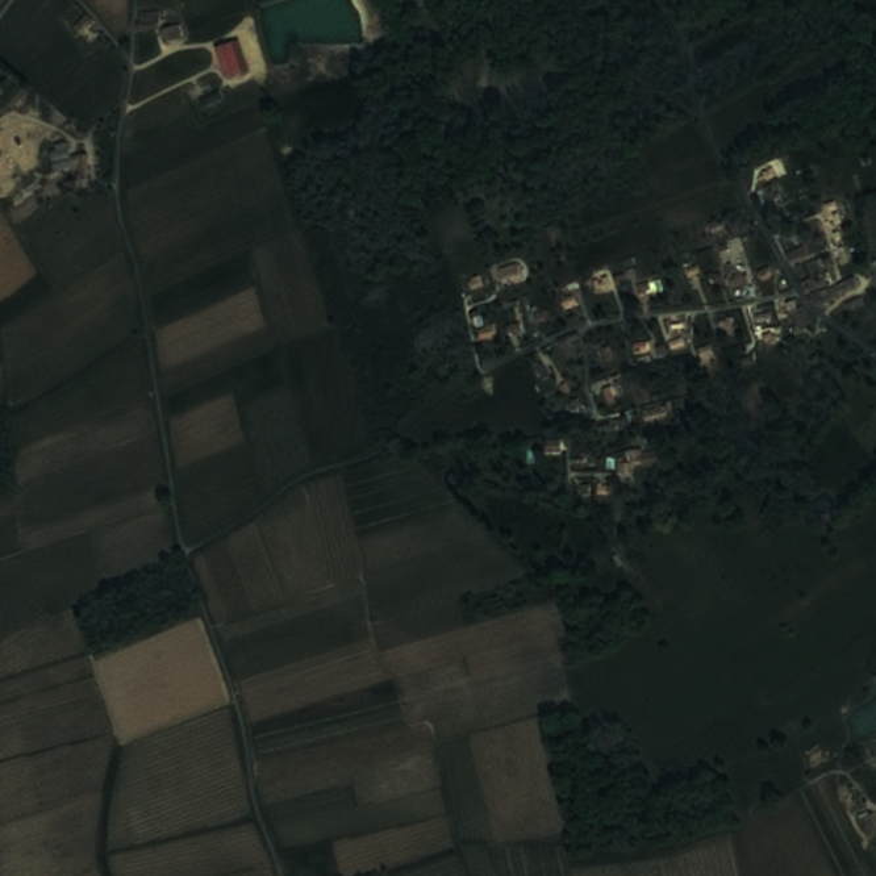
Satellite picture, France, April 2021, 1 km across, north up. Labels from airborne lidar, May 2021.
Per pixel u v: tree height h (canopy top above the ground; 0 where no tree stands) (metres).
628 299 12
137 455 0
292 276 0
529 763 0
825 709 0
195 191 0
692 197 0
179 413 0
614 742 26
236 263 0
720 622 0
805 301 0
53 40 0
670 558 0
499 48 24
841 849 0
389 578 0
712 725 0
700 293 0
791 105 23
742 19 12
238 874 0
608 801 25
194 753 0
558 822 0
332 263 0
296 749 0
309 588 0
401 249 10
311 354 0
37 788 0
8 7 0
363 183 20
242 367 0
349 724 0
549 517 0
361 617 0
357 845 0
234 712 0
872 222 0
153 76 0
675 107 14
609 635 17
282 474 0
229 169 0
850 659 0
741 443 23
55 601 0
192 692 0
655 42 17
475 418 0
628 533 13
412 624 0
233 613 0
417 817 0
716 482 26
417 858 0
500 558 0
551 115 25
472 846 0
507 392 0
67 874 0
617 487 16
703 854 0
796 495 18
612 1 26
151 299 0
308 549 0
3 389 0
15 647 0
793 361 18
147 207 0
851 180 0
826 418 18
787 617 0
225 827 0
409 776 0
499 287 8
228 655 0
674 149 0
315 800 0
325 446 0
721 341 10
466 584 0
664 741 0
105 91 0
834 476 0
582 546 0
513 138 18
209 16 0
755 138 13
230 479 0
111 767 0
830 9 18
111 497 0
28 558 0
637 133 25
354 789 0
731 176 24
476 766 0
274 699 0
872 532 0
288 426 0
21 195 0
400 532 0
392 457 9
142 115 0
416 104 20
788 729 0
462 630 0
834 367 17
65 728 0
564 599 19
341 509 0
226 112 0
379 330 0
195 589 13
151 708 0
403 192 7
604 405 7
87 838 0
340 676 0
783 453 26
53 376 0
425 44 26
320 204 9
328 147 22
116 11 0
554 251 6
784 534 0
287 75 0
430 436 0
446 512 0
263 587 0
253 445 0
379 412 0
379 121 18
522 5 23
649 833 14
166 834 0
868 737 0
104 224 0
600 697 0
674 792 22
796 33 14
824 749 0
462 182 22
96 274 0
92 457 0
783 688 0
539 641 0
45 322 0
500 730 0
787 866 0
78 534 0
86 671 0
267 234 0
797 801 0
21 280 0
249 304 0
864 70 17
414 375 15
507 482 20
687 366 7
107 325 0
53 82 0
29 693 0
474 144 27
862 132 20
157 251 0
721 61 22
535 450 9
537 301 0
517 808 0
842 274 0
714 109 12
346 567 0
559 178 17
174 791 0
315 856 0
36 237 0
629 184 12
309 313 0
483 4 18
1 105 0
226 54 0
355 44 0
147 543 0
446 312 11
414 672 0
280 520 0
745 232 7
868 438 0
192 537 0
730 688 0
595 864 0
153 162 0
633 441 8
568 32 24
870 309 13
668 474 7
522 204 15
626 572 0
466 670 0
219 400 0
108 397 0
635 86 17
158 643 0
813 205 6
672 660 0
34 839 0
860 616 0
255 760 0
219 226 0
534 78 0
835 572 0
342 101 0
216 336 0
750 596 0
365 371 0
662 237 0
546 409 12
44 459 0
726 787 19
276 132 0
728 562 0
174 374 0
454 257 0
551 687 0
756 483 14
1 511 0
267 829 0
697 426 14
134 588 21
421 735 0
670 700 0
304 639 0
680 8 18
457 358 18
